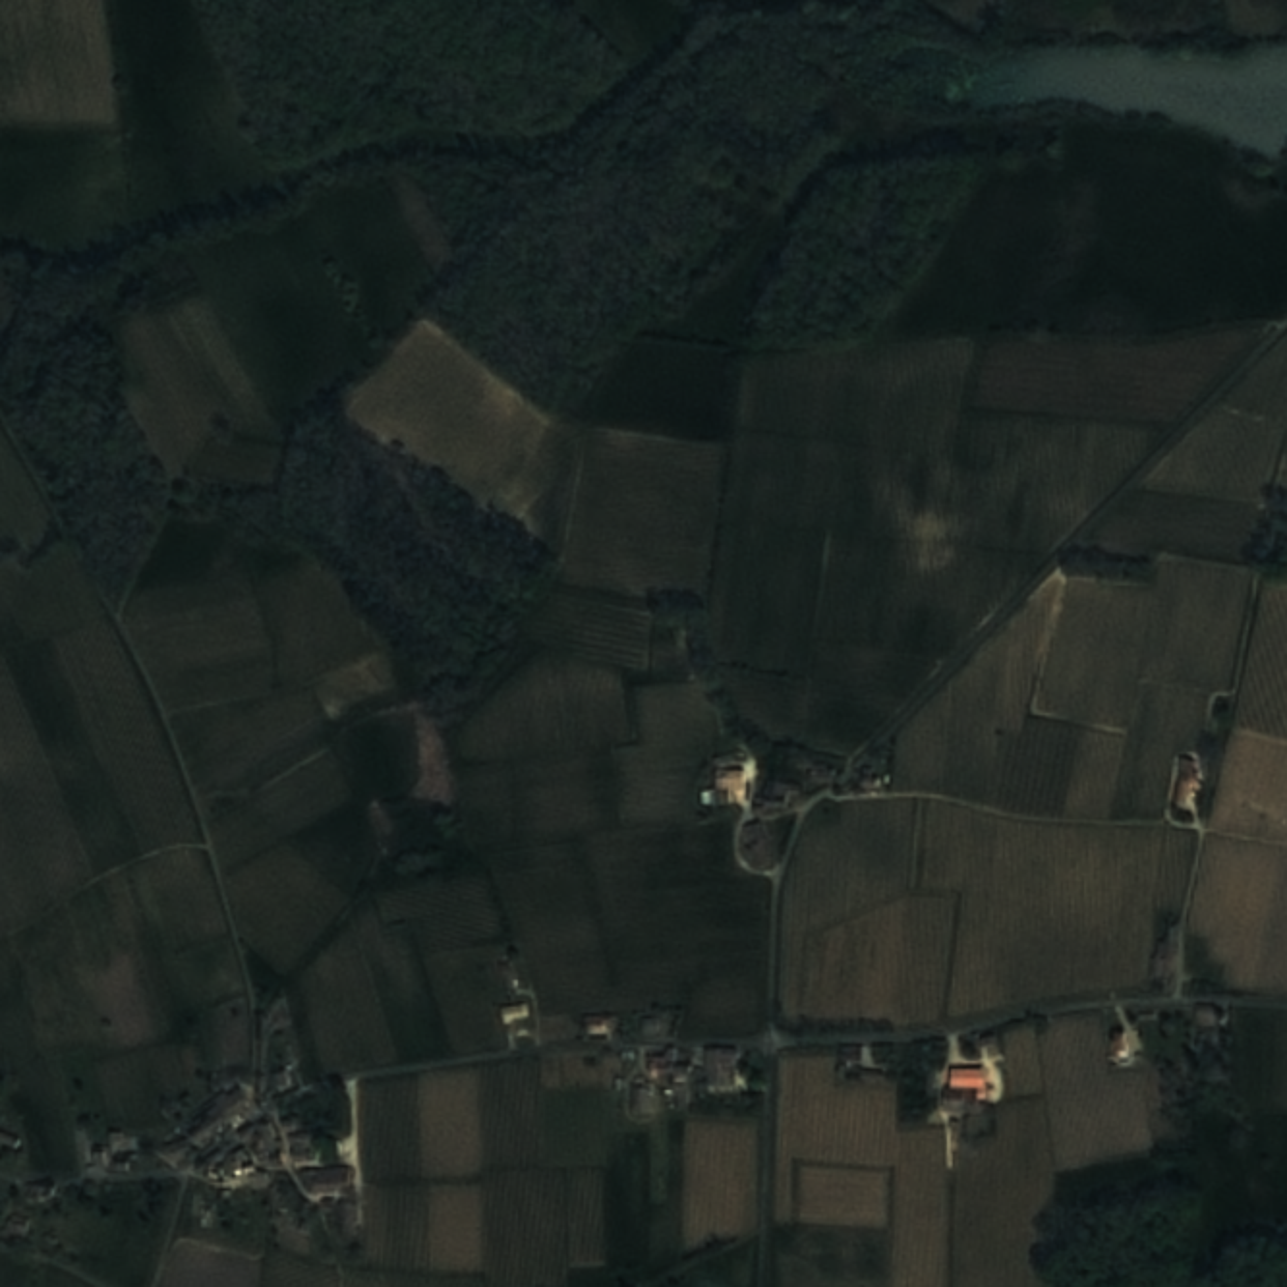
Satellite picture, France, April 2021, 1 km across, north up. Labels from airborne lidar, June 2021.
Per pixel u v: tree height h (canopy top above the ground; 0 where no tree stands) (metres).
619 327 23
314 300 0
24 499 0
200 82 0
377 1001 0
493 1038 0
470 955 0
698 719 0
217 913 0
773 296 20
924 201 18
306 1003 0
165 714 0
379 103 22
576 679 0
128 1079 0
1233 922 0
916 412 0
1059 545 0
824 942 0
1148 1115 0
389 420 0
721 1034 0
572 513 0
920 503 0
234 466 0
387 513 19
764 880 0
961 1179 0
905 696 0
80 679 0
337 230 0
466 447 0
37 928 0
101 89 0
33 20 0
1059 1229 18
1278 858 0
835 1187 0
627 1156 0
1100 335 6
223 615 0
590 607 0
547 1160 0
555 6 18
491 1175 0
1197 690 0
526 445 0
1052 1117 0
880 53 10
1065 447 0
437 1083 0
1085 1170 0
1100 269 0
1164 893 0
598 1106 0
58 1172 0
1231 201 0
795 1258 0
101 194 0
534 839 0
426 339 0
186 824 0
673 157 21
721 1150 0
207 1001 0
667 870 0
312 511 22
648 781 0
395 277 0
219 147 0
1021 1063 0
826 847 0
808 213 22
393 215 0
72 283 26
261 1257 0
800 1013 0
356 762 0
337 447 18
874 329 15
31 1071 0
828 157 29
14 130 0
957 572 0
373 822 0
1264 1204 0
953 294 0
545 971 0
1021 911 0
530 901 0
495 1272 0
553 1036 0
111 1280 0
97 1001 0
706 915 0
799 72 22
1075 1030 0
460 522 24
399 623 23
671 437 0
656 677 0
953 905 0
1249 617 0
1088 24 0
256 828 0
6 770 0
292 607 0
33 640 0
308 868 0
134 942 0
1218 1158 0
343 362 0
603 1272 0
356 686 0
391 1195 0
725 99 20
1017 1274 0
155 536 20
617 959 0
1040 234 0
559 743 0
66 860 0
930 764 0
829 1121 0
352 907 0
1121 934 0
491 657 12
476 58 22
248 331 0
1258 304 0
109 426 17
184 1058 0
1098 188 0
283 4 23
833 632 0
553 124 18
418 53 23
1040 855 0
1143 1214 25
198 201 0
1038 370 0
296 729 0
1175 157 0
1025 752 0
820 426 0
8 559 10
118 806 0
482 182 14
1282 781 0
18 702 0
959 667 0
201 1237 0
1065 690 0
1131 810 0
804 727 0
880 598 0
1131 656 0
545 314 19
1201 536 0
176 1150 0
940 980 0
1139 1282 24
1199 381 0
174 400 0
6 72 0
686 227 19
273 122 20
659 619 14
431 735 0
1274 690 0
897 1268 0
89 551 18
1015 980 0
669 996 0
